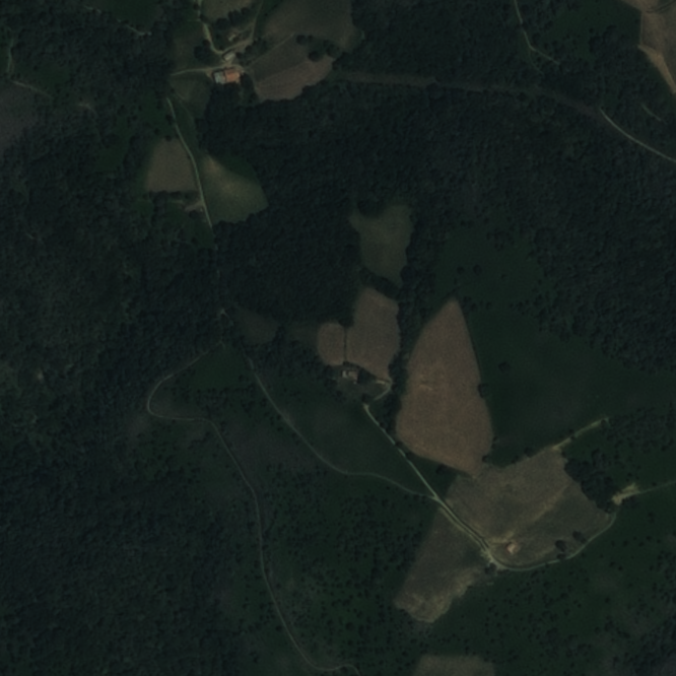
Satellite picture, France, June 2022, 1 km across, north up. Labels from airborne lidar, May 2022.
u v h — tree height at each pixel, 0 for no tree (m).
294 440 8
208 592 9
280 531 10
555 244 15
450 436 0
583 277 17
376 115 23
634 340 14
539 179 20
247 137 9
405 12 19
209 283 13
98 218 22
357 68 21
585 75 14
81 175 13
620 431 11
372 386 0
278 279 10
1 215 10
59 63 8
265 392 0
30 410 15
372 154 18
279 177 21
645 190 8
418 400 0
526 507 0
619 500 0
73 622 15
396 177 22
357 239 19
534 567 0
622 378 0
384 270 0
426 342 0
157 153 0
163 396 0
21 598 14
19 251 11
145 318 20
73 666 11
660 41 0
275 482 9
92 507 11
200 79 0
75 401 8
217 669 24
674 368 11
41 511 17
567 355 0
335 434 0
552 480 0
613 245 22
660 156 8
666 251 18
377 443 0
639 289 14
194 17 0
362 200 17
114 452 13
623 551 0
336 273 19
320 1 0
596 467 14
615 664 10
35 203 17
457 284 7
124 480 15
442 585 0
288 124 22
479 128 12
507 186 6
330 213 19
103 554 12
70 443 20
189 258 20
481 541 0
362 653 9
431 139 8
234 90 16
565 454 12
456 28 25
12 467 13
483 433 0
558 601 8
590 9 0
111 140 14
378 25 16
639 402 0
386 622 10
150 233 13
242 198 0
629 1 0
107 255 17
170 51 11
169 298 18
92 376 22
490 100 16
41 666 13
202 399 10
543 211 14
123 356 21
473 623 0
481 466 0
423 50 26
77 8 14
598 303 10
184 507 25
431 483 0
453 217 13
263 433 0
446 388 0
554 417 0
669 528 0
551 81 20
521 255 0
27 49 12
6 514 19
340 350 0
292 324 12
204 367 0
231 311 16
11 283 17
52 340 10
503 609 0
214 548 15
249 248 13
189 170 0
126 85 13
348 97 21
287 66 0
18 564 16
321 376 6
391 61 19
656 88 14
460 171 7
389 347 0
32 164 16
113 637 16
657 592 9
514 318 0
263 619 10
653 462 0
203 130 13
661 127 17
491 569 10
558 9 17
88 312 17
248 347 12
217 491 0
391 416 10
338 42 0
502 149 15
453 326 0
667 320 12
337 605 10
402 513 0
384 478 0
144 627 17
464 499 0
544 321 9
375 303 0
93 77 19
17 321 20
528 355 0
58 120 6
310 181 14
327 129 21
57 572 17
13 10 17
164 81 19
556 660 9
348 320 18
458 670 0
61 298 13
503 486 0
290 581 0
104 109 11
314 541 11
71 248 10
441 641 7
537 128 20
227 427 8
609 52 17
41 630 11
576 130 27
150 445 8
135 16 0
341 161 19
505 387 0
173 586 21
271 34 0
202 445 15
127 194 12
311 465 0
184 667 17
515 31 9
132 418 0
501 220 0
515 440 0
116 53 13
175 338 13
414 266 17
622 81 7
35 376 24
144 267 20
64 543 19
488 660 9
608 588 0
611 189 17
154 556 13
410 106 20
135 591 17
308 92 20
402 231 0
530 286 0
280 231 11
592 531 0
